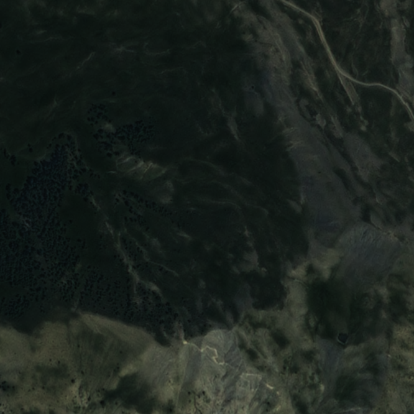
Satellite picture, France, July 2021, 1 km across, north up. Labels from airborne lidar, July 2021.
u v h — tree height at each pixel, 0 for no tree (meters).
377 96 0
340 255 0
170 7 0
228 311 0
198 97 0
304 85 0
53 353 0
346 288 0
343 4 0
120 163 0
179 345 0
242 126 0
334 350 0
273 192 0
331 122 0
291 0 0
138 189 0
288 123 0
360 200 0
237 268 0
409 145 0
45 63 0
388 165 0
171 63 0
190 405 0
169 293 0
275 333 0
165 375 0
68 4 0
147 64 0
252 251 0
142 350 0
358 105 0
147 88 0
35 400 0
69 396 0
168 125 0
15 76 0
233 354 0
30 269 7
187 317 0
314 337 0
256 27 0
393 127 0
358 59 0
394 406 0
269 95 0
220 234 0
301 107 0
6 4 0
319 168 0
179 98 0
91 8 0
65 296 11
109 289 9
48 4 0
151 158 0
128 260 0
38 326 0
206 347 0
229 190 0
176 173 0
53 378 0
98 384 0
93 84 0
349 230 0
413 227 0
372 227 0
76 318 0
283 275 0
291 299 0
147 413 0
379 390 0
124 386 0
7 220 16
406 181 0
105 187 0
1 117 0
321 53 0
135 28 0
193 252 0
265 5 0
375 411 0
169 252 0
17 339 0
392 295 0
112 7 0
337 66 0
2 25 0
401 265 0
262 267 0
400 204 0
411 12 0
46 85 0
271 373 0
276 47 0
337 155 0
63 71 0
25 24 0
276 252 0
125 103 0
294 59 0
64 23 0
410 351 0
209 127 0
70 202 0
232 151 0
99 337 0
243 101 0
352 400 0
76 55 0
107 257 0
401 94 0
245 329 0
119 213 0
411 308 0
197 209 0
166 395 0
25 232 11
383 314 0
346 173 0
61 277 9
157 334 0
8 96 0
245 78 0
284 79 0
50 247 10
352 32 0
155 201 0
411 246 0
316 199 0
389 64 0
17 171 0
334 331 0
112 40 0
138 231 0
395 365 0
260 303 0
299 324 0
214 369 0
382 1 0
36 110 0
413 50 0
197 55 0
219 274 0
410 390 0
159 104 0
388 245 0
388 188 0
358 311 0
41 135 0
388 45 0
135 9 0
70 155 7
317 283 0
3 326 0
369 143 0
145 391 0
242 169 0
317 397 0
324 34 0
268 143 0
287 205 0
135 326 0
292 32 0
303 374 0
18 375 0
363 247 0
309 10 0
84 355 0
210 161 0
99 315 0
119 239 0
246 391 0
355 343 0
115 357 0
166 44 0
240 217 0
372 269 0
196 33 0
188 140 0
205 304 0
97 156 0
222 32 0
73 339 0
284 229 0
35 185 6
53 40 0
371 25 0
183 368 0
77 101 0
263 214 0
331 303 0
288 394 0
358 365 0
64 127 0
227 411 0
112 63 0
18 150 0
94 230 0
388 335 0
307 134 0
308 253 0
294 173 0
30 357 0
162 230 0
